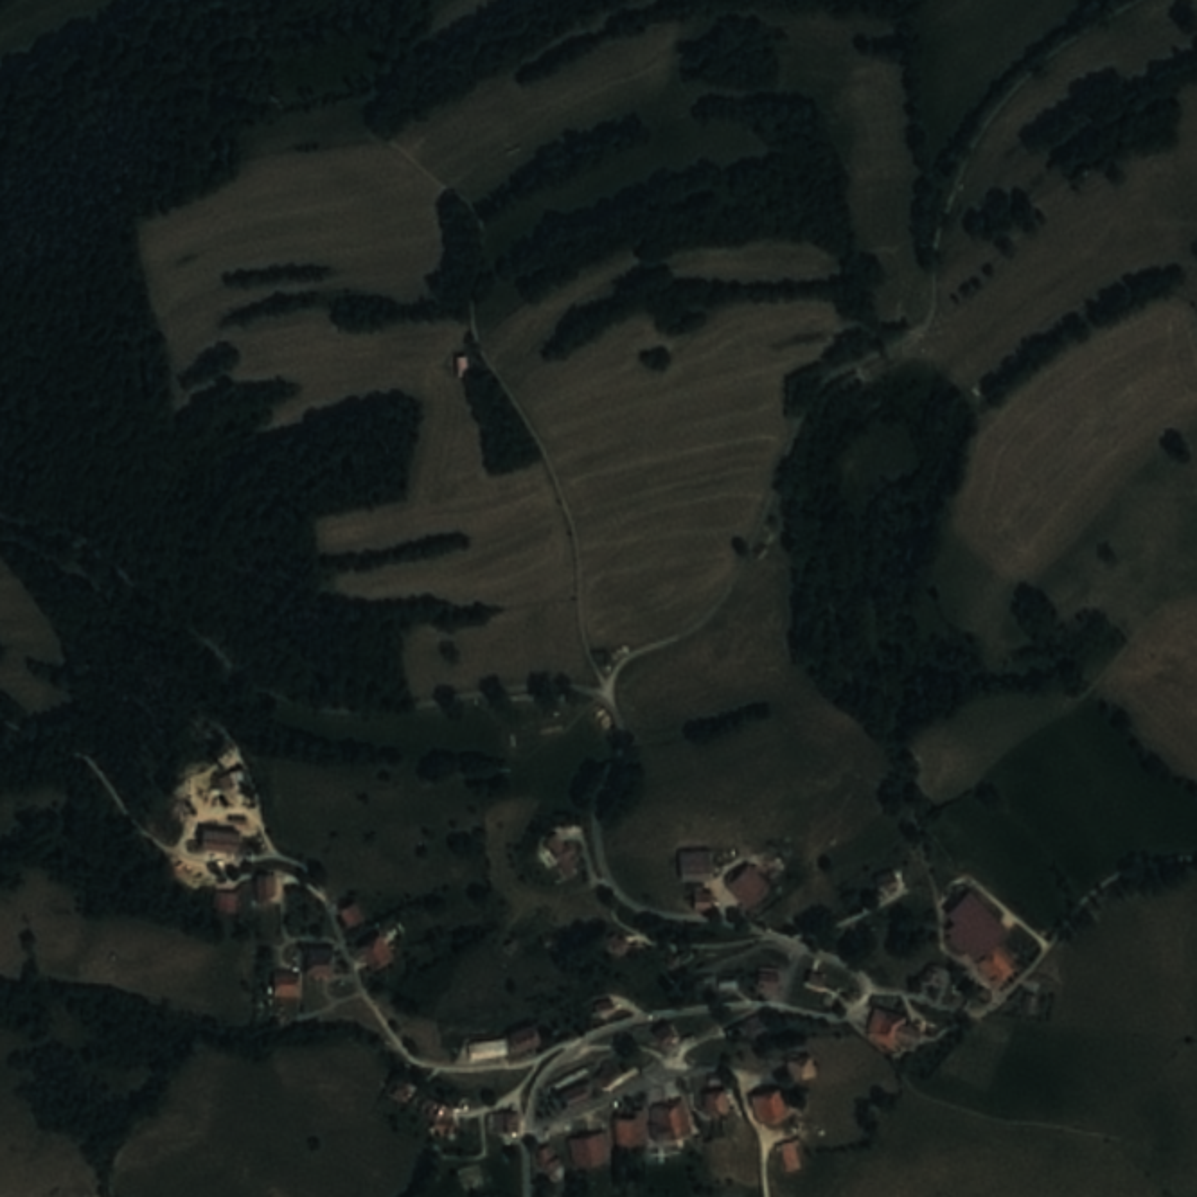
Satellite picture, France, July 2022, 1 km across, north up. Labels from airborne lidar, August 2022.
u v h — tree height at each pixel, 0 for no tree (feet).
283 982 0
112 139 77
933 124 0
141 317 66
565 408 0
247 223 0
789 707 0
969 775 0
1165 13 0
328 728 0
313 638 74
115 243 65
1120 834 0
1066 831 0
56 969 0
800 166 41
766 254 0
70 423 69
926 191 65
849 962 46
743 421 0
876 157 0
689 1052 0
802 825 0
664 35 0
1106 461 0
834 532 73
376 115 64
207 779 0
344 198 0
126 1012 44
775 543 0
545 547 0
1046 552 0
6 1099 0
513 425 50
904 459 0
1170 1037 0
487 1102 25
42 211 74
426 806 0
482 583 0
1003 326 0
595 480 0
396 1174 0
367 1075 0
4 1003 49
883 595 105
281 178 0
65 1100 49
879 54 42
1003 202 62
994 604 0
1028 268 0
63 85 83
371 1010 0
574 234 58
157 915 54
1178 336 0
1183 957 0
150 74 79
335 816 0
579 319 57
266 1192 0
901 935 61
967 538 0
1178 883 60
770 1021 51
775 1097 0
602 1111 0
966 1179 0
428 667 0
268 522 65
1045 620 24
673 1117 0
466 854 39
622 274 0
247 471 90
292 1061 0
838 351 36
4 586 0
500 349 0
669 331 21
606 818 60
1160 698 0
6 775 56
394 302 36
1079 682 49
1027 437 0
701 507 0
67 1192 0
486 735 0
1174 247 0
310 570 62
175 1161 0
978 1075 0
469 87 42
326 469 66
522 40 77
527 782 0
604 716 0
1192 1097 0
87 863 50
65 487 70
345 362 0
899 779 25
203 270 0
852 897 27
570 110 0
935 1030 0
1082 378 0
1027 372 56
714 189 31
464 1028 0
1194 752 0
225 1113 0
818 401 36
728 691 0
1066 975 0
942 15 0
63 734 61
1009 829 0
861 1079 0
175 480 20
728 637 0
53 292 64
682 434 0
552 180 74
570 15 62
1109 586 0
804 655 45
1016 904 0
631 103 0
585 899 0
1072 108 48
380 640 65
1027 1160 0
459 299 52
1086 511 0
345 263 0
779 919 0
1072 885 41
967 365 0
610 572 0
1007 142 0
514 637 0
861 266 60
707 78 50
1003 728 0
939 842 0
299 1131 0
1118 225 0
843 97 0
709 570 0
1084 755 0
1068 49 0
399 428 77
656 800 0
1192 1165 0
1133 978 0
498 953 0
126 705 57
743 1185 0
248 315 44
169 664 73
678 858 0
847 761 0
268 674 47
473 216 59
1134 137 54
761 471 0
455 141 0
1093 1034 0
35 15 0
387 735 0
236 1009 0
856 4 66
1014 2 0
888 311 0
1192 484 0
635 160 0
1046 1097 0
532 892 0
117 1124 47
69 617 87
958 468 55
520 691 0
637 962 43
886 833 0
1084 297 0
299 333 0
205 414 51
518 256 43
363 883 0
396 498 30
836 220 62
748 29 54
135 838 58
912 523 39
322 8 53
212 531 61
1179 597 0
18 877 24
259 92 55
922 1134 0
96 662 68
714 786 0
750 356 0
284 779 0
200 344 0
